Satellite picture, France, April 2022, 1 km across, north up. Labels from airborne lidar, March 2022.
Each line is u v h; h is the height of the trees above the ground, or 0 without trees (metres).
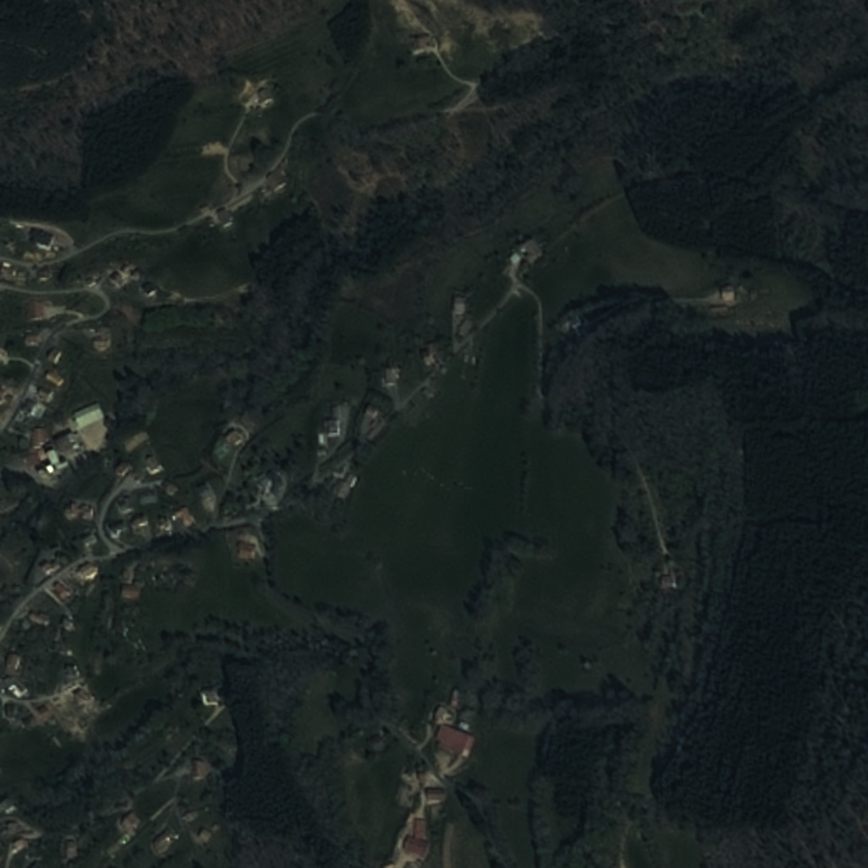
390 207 28
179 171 0
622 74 31
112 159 32
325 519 22
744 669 33
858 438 25
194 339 0
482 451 0
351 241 21
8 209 29
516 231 0
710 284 0
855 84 13
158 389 24
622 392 28
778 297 0
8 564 0
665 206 21
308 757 8
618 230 0
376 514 0
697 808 29
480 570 0
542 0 26
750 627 24
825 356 29
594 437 28
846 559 26
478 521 0
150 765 0
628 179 25
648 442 30
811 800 27
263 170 11
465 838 0
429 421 0
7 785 0
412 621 0
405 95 0
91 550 0
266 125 0
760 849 29
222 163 0
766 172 25
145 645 0
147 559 15
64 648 13
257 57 0
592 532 0
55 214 30
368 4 12
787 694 24
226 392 16
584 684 0
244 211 7
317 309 20
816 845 21
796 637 25
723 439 20
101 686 0
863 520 24
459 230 6
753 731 27
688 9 15
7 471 0
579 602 0
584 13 19
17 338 0
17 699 0
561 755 24
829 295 29
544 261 7
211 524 0
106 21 9
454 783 7
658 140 27
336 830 18
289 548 0
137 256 0
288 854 23
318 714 0
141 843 0
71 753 0
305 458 0
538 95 33
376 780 0
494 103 23
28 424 0
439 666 0
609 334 31
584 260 0
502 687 7
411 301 0
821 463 22
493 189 19
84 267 0
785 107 33
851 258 29
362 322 0
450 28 0
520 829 0
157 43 30
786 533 30
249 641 19
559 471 0
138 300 0
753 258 18
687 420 23
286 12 21
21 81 12
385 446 0
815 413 21
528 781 0
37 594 0
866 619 26
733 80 24
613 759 11
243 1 30
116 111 29
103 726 0
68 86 17
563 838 0
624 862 0
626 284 0
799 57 26
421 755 0
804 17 30
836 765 33
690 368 25
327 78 0
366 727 22
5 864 0
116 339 0
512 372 0
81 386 0
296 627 0
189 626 0
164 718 25
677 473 16
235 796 25
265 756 31
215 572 0
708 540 25
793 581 30
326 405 0
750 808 29
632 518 13
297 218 0
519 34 0
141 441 0
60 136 27
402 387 9
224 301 0
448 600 0
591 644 0
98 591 0
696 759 35
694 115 25
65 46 12
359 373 0
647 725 24
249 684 26
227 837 0
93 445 0
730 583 19
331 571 0
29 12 12
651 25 26
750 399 29
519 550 19
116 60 23
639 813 21
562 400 32
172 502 0
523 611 0
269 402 27
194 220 0
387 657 27
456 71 0
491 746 0
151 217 0
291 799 33
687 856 0
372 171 28
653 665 0
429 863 0
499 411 0
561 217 0
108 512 0
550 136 20
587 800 13
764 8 35
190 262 0
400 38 0
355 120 0
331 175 0
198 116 7
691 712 23
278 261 29
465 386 0
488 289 0
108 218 0
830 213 28
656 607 14
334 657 8
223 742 7
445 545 0
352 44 17
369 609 0
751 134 20
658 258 0
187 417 0
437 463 0
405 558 0
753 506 23
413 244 20
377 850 0
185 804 8
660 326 26
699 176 16
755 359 28
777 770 25
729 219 15
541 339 9
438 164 21
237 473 0
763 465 24
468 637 0
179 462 0
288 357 28
